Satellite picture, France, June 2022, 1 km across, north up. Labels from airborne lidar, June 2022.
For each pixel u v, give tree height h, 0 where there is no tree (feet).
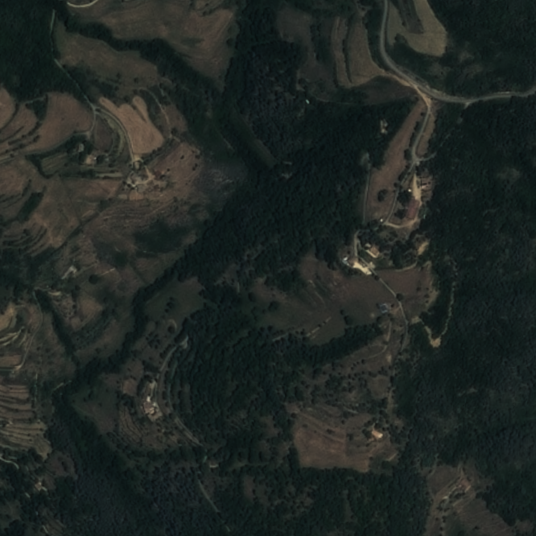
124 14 0
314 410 0
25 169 0
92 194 0
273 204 43
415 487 44
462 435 46
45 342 0
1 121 0
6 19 45
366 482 56
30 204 23
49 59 50
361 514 34
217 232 75
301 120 34
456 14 24
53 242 0
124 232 0
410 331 26
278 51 56
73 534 30
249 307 0
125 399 41
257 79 45
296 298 0
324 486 35
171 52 30
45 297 37
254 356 23
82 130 0
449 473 0
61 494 20
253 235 43
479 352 37
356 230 26
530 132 57
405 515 40
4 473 48
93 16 0
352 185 51
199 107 36
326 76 0
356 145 44
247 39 60
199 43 0
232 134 46
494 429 29
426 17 0
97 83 26
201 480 45
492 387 46
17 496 41
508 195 56
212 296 52
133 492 57
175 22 0
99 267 0
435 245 33
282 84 48
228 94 62
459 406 46
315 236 30
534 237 55
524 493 62
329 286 0
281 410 34
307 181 53
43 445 0
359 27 0
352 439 24
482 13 41
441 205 50
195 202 0
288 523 24
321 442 0
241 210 52
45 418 32
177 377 31
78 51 0
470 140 39
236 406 34
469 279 54
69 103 0
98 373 52
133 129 0
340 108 23
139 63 0
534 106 43
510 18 38
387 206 0
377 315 0
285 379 28
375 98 0
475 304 65
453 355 33
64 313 0
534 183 37
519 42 52
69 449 60
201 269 24
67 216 0
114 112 0
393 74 0
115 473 80
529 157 22
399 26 0
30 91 31
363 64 0
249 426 37
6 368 0
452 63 23
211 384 34
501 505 36
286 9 0
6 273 20
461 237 42
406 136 0
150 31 0
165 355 28
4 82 25
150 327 0
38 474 39
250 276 19
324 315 0
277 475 41
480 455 26
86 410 0
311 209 54
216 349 38
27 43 46
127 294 0
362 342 41
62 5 48
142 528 51
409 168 27
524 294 71
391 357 0
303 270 0
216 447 0
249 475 31
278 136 65
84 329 26
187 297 0
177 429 31
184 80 46
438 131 35
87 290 0
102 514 30
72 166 0
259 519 36
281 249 34
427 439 34
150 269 0
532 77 31
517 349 50
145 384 24
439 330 30
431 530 0
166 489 58
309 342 29
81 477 52
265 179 58
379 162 38
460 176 38
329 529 31
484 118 66
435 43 0
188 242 0
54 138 0
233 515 22
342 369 28
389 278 0
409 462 20
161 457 34
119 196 0
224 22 0
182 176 0
